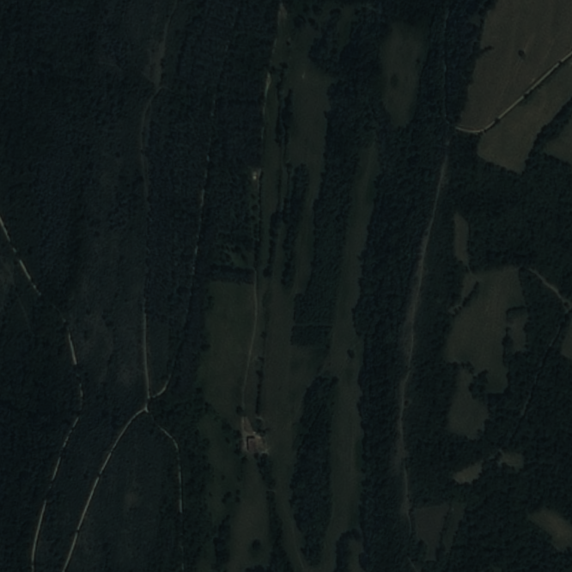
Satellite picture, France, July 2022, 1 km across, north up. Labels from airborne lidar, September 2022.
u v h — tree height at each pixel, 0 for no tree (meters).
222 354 0
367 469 13
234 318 0
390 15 17
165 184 15
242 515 0
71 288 18
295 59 0
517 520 15
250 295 0
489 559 14
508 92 0
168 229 16
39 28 19
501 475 16
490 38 0
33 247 6
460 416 0
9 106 13
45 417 26
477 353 0
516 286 0
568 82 0
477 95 0
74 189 17
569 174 14
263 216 11
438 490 6
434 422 9
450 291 6
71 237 16
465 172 7
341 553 17
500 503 13
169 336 6
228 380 0
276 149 0
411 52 0
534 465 11
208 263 21
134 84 7
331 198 12
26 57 18
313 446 10
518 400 8
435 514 0
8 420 32
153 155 15
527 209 8
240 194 11
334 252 9
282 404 0
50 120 18
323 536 17
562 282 10
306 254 0
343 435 0
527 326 9
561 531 0
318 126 0
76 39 9
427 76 6
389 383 14
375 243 20
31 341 14
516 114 0
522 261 15
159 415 17
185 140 24
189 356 20
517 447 11
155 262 14
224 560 19
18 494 15
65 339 10
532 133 0
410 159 8
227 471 0
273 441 0
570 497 11
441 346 15
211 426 0
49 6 16
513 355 7
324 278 8
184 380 19
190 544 15
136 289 0
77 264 13
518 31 0
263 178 9
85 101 12
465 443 8
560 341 10
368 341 9
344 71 25
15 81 9
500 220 7
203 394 11
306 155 0
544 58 0
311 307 7
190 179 23
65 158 19
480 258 8
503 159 0
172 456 11
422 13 19
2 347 10
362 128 17
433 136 8
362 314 9
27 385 27
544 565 14
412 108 0
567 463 15
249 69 12
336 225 10
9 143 18
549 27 0
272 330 0
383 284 23
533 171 9
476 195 10
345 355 0
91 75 11
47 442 9
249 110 23
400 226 20
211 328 0
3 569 8
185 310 20
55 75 27
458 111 13
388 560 24
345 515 0
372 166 0
